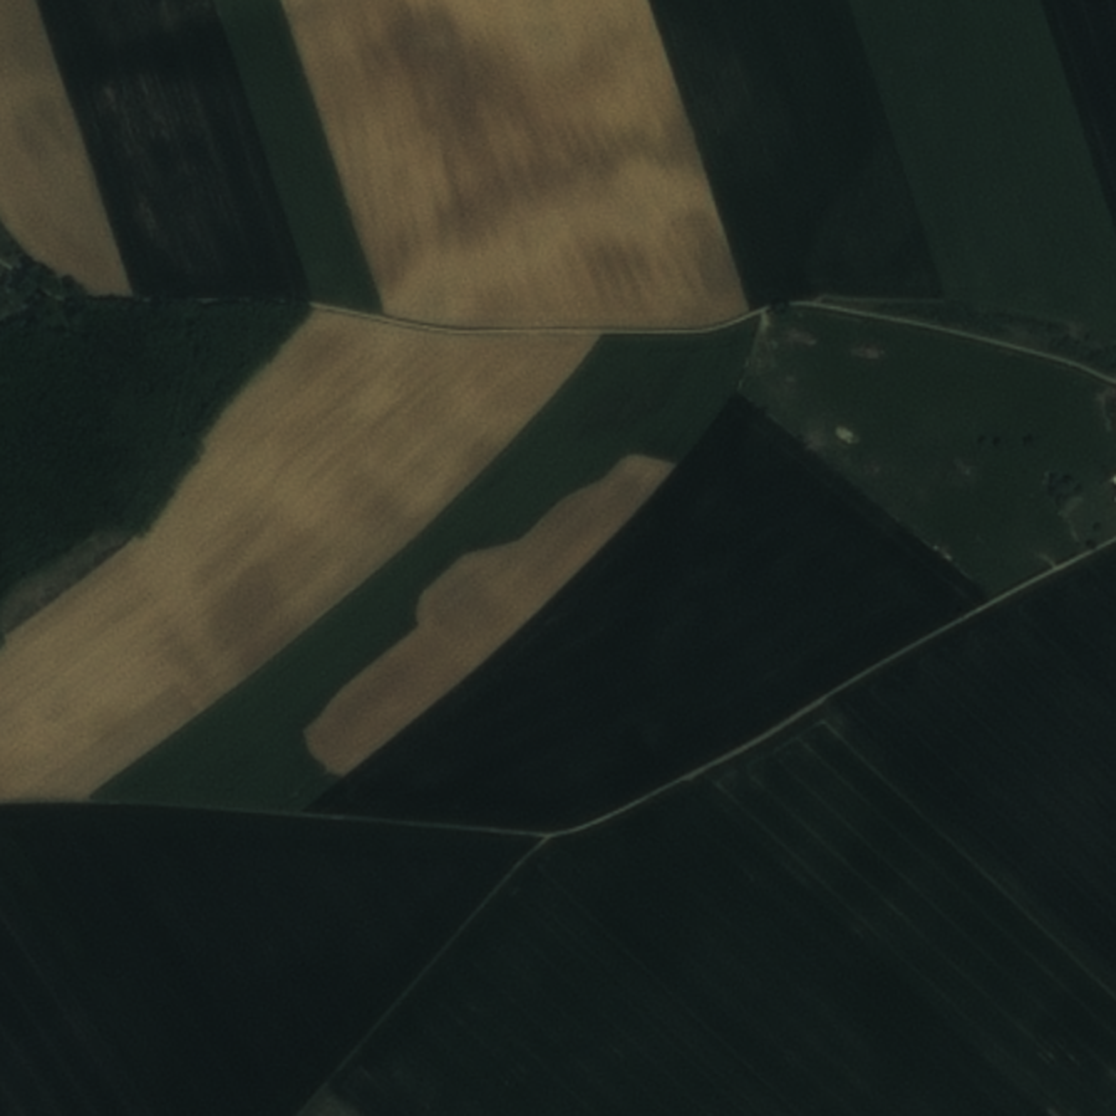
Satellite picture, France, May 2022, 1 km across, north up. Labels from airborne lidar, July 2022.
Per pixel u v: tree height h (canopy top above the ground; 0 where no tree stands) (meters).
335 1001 0
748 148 0
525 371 0
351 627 0
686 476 0
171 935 0
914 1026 0
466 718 0
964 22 0
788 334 0
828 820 0
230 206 0
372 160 0
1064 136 0
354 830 0
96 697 0
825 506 0
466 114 0
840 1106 0
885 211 0
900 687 0
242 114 0
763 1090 0
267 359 15
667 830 0
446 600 0
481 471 0
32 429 15
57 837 0
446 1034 0
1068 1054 0
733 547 0
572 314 0
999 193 0
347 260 0
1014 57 0
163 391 15
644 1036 0
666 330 0
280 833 0
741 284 0
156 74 0
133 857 0
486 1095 0
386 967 0
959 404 0
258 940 0
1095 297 0
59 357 13
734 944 0
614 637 0
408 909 0
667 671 0
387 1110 0
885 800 0
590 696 0
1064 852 0
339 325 0
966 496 0
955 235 0
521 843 0
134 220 0
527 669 0
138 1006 0
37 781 0
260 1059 0
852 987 0
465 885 0
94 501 15
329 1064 0
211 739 0
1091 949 0
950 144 0
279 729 0
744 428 0
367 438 0
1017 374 0
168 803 0
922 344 0
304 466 0
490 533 0
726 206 0
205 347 12
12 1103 0
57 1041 0
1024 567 0
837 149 0
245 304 10
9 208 0
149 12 0
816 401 0
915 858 0
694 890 0
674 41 0
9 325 11
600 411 0
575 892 0
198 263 0
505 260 0
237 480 0
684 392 0
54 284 21
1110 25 0
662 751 0
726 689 0
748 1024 0
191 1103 0
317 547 0
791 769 0
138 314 12
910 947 0
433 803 0
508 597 0
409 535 0
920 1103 0
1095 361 13
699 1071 0
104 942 0
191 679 0
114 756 0
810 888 0
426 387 0
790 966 0
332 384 0
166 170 0
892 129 0
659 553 0
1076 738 0
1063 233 0
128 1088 0
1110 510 0
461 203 0
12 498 11
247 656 0
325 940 0
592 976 0
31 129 0
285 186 0
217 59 0
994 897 0
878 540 0
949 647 0
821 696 0
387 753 0
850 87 0
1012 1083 0
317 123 0
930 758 0
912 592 0
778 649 0
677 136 0
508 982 0
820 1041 0
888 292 0
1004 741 0
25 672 0
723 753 0
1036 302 0
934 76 0
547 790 0
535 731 0
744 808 0
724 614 0
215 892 0
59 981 0
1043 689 0
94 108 0
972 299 0
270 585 0
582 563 0
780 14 0
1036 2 0
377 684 0
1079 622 0
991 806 0
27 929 0
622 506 0
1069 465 0
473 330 0
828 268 0
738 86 0
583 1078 0
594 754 0
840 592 0
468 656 0
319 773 0
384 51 0
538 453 0
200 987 0
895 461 0
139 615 0
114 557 0
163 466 22
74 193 0
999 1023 0
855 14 0
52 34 0
